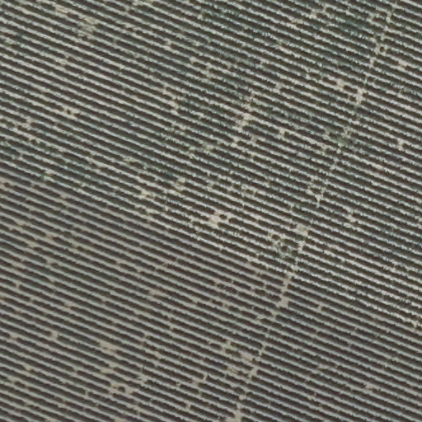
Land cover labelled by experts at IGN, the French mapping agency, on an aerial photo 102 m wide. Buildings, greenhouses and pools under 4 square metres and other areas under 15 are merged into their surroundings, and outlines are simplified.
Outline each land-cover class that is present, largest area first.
<instances>
[{"label":"vineyard","instance_id":"1","mask_svg":"<svg viewBox=\"0 0 422 422\"><path fill-rule=\"evenodd\" d=\"M0 422H422V0H0Z\"/></svg>","mask_w":422,"mask_h":422}]
</instances>
